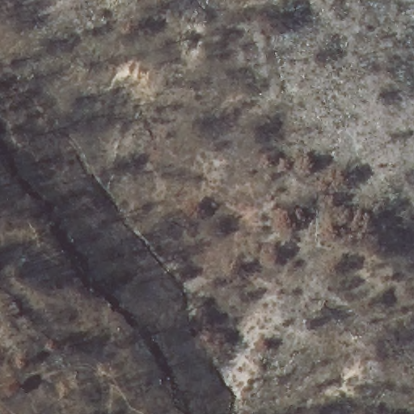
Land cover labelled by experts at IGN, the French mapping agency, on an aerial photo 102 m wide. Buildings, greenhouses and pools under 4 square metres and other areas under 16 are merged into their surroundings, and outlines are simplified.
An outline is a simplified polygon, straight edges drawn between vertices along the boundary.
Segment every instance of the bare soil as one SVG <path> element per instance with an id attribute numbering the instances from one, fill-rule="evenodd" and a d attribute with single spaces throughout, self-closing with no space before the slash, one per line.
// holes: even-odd
<path id="1" fill-rule="evenodd" d="M 0 0 L 0 414 L 414 414 L 414 0 Z"/>

